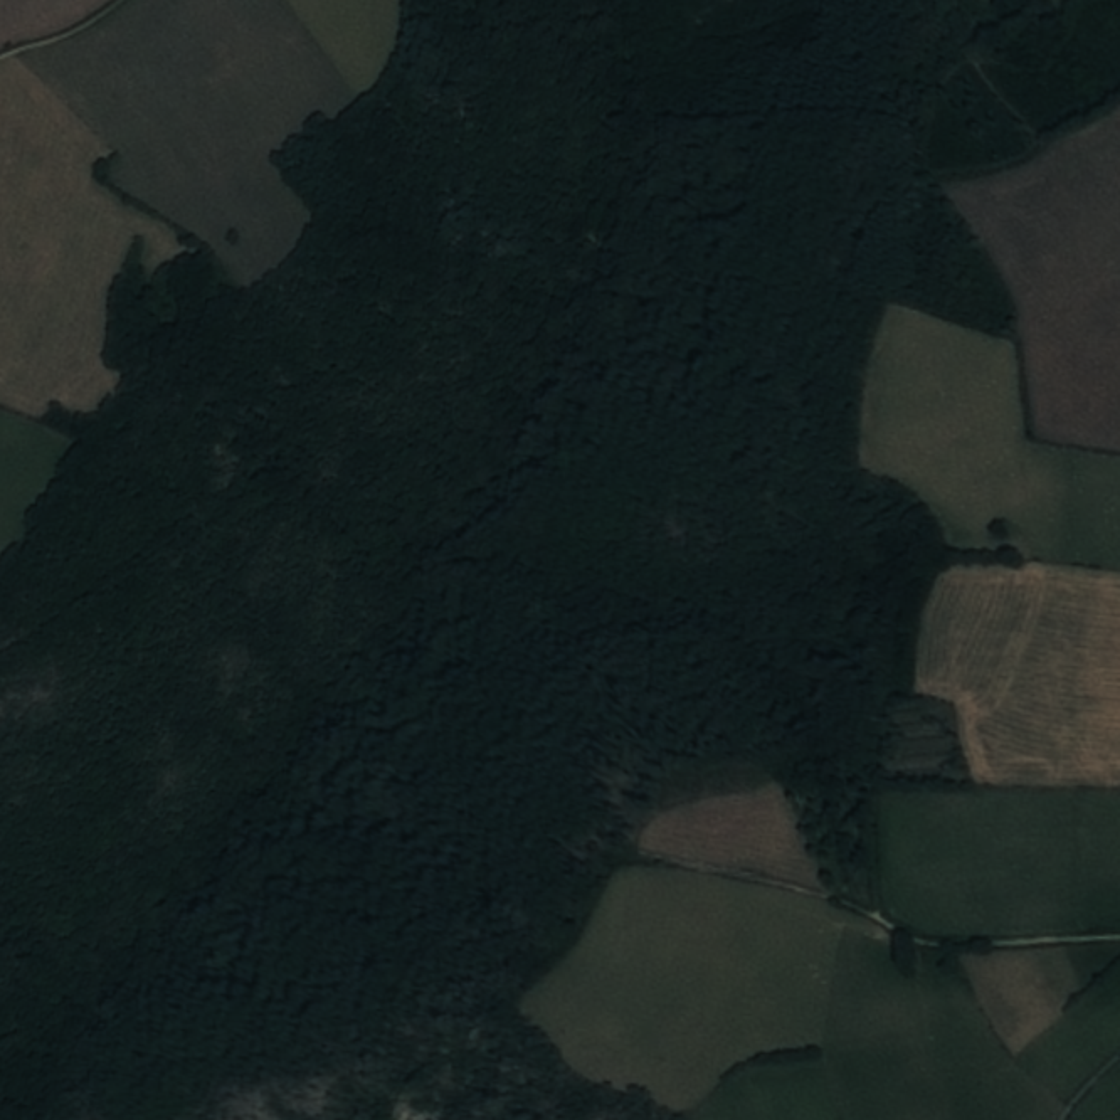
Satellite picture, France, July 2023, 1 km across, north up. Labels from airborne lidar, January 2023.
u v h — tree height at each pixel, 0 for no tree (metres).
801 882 0
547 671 17
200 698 9
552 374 23
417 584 28
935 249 8
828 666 25
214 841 27
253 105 0
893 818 0
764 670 27
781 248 23
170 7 0
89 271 0
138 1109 15
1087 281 0
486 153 21
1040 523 0
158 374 18
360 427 17
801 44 10
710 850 0
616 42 17
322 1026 16
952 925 0
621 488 19
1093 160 0
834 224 24
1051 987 0
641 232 23
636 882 0
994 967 0
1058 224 0
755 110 18
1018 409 0
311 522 12
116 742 20
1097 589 0
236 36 0
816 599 30
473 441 25
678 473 19
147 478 19
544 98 24
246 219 0
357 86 0
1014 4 10
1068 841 0
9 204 0
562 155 23
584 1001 0
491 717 20
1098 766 0
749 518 16
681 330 30
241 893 23
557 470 24
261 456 25
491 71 23
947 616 0
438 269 24
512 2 25
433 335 7
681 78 12
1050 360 0
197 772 10
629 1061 0
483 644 19
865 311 20
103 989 23
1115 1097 0
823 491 17
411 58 21
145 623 23
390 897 24
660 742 25
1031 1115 0
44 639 18
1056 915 0
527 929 27
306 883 12
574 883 24
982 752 0
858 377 16
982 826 0
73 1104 9
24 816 17
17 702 8
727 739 27
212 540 19
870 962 0
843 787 19
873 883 9
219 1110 8
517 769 18
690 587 20
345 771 9
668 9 10
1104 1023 0
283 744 24
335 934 25
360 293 21
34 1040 21
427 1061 6
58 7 0
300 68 0
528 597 21
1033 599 0
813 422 17
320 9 0
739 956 0
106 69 0
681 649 26
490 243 19
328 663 19
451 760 20
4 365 0
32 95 0
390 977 22
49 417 6
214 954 24
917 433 0
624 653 25
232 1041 17
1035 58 6
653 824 0
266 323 17
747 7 10
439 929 21
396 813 24
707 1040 0
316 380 19
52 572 21
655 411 24
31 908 20
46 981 25
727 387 23
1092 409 0
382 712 21
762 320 24
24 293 0
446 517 24
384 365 16
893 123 20
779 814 0
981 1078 0
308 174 19
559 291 20
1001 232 0
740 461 13
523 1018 10
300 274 13
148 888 20
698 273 22
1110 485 0
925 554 28
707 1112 0
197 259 13
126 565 16
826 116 23
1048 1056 0
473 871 25
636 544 12
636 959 0
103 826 20
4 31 0
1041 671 0
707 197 26
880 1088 0
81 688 7
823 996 0
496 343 18
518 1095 7
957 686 0
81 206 0
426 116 20
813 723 28
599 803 20
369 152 25
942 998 0
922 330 0
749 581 20
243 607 15
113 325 13
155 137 0
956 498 0
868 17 19
